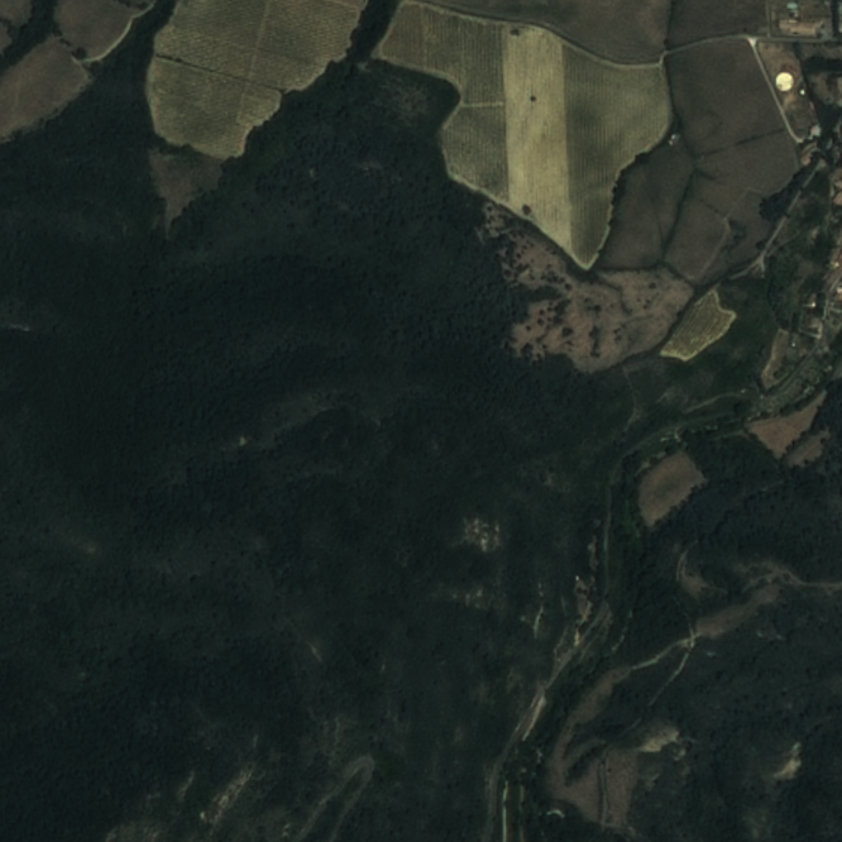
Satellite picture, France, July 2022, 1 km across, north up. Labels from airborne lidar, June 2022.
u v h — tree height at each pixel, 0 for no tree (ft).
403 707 17
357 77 25
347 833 20
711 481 26
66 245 28
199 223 23
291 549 24
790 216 30
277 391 28
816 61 25
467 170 0
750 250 0
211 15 0
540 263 0
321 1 0
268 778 31
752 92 0
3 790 34
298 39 0
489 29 0
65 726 23
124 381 64
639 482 36
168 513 43
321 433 23
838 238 0
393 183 20
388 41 0
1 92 0
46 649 30
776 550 52
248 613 33
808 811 22
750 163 0
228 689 34
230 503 32
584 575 26
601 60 0
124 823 22
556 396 31
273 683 39
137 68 35
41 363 36
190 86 0
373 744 24
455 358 31
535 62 0
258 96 0
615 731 27
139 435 48
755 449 18
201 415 21
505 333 31
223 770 30
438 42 0
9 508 23
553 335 0
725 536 48
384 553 30
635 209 0
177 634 20
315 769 21
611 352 0
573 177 0
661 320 0
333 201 25
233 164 40
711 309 0
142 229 26
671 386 21
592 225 0
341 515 38
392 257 21
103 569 35
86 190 31
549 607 36
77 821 43
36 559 30
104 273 48
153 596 29
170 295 34
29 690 28
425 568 40
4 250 20
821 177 34
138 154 22
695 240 0
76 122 29
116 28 0
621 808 0
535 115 0
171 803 20
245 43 0
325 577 21
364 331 33
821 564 22
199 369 23
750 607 0
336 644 22
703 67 0
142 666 31
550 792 0
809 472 18
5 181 31
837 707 25
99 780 38
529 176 0
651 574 21
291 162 28
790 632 27
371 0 26
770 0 0
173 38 0
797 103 0
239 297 23
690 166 0
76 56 23
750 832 0
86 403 58
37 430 29
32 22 47
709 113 0
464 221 24
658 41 0
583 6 0
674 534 52
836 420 39
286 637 19
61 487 32
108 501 44
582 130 0
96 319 38
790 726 36
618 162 0
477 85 0
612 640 31
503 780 32
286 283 39
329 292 40
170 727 23
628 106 0
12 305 31
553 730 43
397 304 30
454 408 35
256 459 27
